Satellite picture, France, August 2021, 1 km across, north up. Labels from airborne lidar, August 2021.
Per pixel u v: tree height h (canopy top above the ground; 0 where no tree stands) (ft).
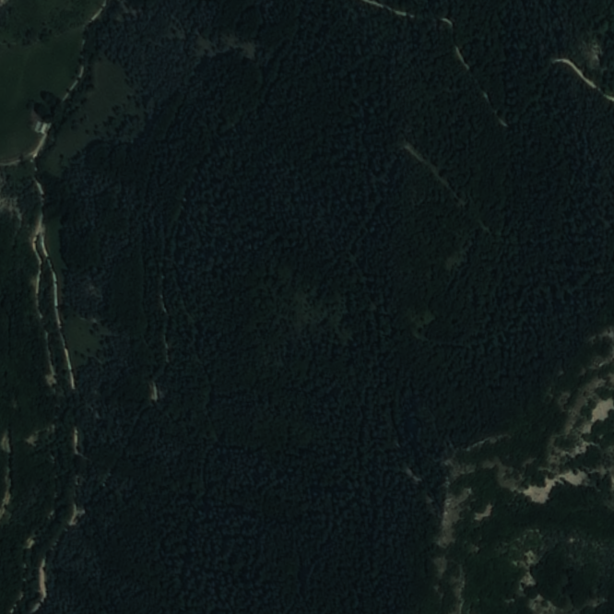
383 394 79
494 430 38
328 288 60
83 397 34
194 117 68
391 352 68
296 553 65
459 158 63
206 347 68
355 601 76
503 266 76
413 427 49
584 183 108
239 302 51
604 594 34
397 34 20
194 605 86
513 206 40
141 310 41
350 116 37
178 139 52
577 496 50
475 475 44
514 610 29
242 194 43
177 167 44
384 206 60
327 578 86
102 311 53
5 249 65
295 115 77
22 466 59
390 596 91
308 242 52
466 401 52
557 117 51
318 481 49
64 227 35
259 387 79
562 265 66
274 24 42
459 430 55
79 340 0
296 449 56
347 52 42
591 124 57
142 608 67
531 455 32
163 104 41
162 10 57
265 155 42
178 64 36
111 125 29
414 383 63
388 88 53
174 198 55
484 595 39
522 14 57
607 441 31
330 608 69
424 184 54
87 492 29
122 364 28
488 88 77
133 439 51
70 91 38
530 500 20
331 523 61
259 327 28
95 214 47
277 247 61
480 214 52
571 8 25
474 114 57
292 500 76
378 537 58
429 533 51
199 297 76
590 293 38
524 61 91
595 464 31
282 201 55
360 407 56
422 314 30
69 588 55
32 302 48
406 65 61
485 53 68
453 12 66
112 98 0
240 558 71
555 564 48
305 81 79
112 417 34
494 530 44
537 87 58
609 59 33
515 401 44
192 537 37
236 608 58
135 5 54
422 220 49
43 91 0
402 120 43
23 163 34
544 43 33
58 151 0
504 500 41
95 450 60
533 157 68
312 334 30
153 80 42
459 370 54
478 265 67
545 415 41
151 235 72
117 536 57
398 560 68
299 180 42
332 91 73
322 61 80
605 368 29
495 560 37
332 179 52
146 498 60
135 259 56
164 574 76
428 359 51
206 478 65
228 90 64
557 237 60
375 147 56
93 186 67
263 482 69
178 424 67
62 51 0
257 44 43
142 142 41
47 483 47
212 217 18
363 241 41
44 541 50
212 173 42
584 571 35
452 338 48
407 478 39
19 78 0
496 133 64
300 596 63
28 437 44
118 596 49
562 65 21
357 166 62
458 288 36
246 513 52
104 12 24
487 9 84
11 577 37
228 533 71
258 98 39
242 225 76
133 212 50
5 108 0
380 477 74
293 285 22
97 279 44
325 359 64
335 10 29
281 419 53
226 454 54
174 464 63
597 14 28
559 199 72
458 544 26
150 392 32
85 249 62
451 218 69
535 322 66
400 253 55
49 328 50
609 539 23
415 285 40
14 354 59
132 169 71
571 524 42
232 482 85
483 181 55
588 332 45
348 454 78
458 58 31
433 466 44
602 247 77
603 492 31
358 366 66
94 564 42
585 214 69
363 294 57
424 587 50
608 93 49
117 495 67
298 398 86
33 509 46
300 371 50
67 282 33
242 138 45
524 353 64
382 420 66
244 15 76
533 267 45
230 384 56
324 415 83
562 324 68
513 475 19
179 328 54
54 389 45
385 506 57
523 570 26
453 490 31
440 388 53
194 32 42
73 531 35
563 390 31
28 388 57
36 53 0
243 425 63
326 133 60
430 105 64
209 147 35
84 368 29
